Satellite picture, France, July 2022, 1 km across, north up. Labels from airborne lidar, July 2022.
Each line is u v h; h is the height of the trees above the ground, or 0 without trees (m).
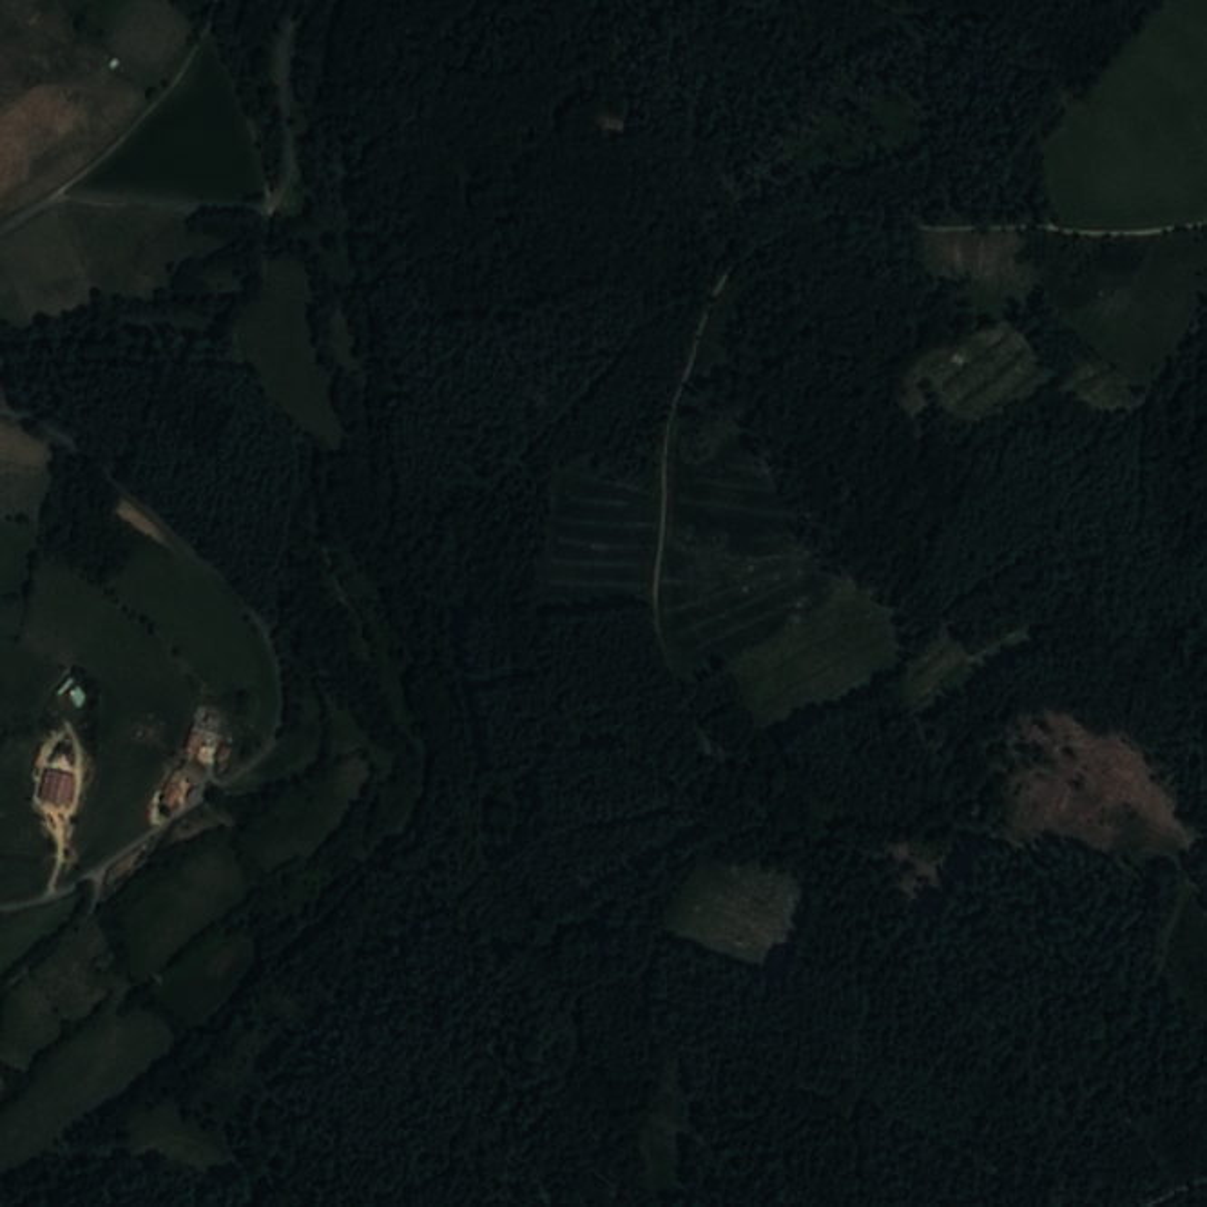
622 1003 18
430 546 15
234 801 8
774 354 17
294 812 0
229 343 20
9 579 0
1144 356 0
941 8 8
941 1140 12
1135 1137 22
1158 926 33
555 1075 25
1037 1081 6
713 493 0
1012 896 30
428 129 28
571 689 29
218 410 20
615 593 0
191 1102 10
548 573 0
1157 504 21
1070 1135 8
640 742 7
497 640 30
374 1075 28
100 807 0
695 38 9
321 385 0
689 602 0
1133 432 21
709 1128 22
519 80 24
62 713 0
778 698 0
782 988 34
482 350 35
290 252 14
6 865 0
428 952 22
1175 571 28
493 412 38
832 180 19
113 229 0
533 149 20
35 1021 0
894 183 20
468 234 23
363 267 16
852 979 16
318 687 11
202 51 0
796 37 8
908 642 23
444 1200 27
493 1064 29
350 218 6
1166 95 0
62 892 0
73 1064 0
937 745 16
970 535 21
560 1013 29
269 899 12
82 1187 21
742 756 16
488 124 26
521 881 27
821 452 17
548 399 28
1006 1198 29
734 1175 10
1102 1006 21
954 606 22
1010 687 27
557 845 25
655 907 35
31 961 9
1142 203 0
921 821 18
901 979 29
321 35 16
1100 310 0
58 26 0
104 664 0
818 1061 37
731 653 0
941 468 18
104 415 21
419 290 26
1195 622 26
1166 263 0
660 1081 6
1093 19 12
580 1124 22
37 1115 0
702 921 0
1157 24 0
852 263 16
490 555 16
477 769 11
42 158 0
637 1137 24
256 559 30
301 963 6
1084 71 7
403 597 16
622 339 23
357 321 12
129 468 33
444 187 34
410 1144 23
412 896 6
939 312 16
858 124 10
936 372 0
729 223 16
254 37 22
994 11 9
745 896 0
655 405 18
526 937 9
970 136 29
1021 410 6
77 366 12
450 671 16
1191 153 0
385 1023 27
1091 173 0
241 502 35
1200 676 18
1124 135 0
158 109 0
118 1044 0
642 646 28
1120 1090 9
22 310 0
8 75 0
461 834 20
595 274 23
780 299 14
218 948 0
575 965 23
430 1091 25
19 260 0
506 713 33
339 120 20
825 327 23
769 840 21
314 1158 20
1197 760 17
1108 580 33
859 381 17
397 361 37
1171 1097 8
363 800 9
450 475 25
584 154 20
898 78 29
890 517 18
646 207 18
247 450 31
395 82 21
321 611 13
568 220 22
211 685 0
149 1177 29
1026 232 9
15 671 0
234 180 0
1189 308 0
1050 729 19
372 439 14
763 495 0
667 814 19
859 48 13
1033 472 18
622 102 19
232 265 13
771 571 0
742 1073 17
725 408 17
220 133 0
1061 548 22
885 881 30
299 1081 27
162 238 0
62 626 0
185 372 31
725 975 30
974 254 0
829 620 0
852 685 0
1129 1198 18
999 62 28
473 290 26
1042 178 14
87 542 8
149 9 0
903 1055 20
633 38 26
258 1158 20
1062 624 23
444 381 42
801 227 16
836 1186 16
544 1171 20
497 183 22
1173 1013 26
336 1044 28
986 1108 17
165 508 29
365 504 23
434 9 20
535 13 24
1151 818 0
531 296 22
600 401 14
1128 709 33
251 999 20
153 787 0
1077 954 26
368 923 10
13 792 0
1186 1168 7
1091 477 19
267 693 0
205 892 0
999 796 18
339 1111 26
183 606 0
